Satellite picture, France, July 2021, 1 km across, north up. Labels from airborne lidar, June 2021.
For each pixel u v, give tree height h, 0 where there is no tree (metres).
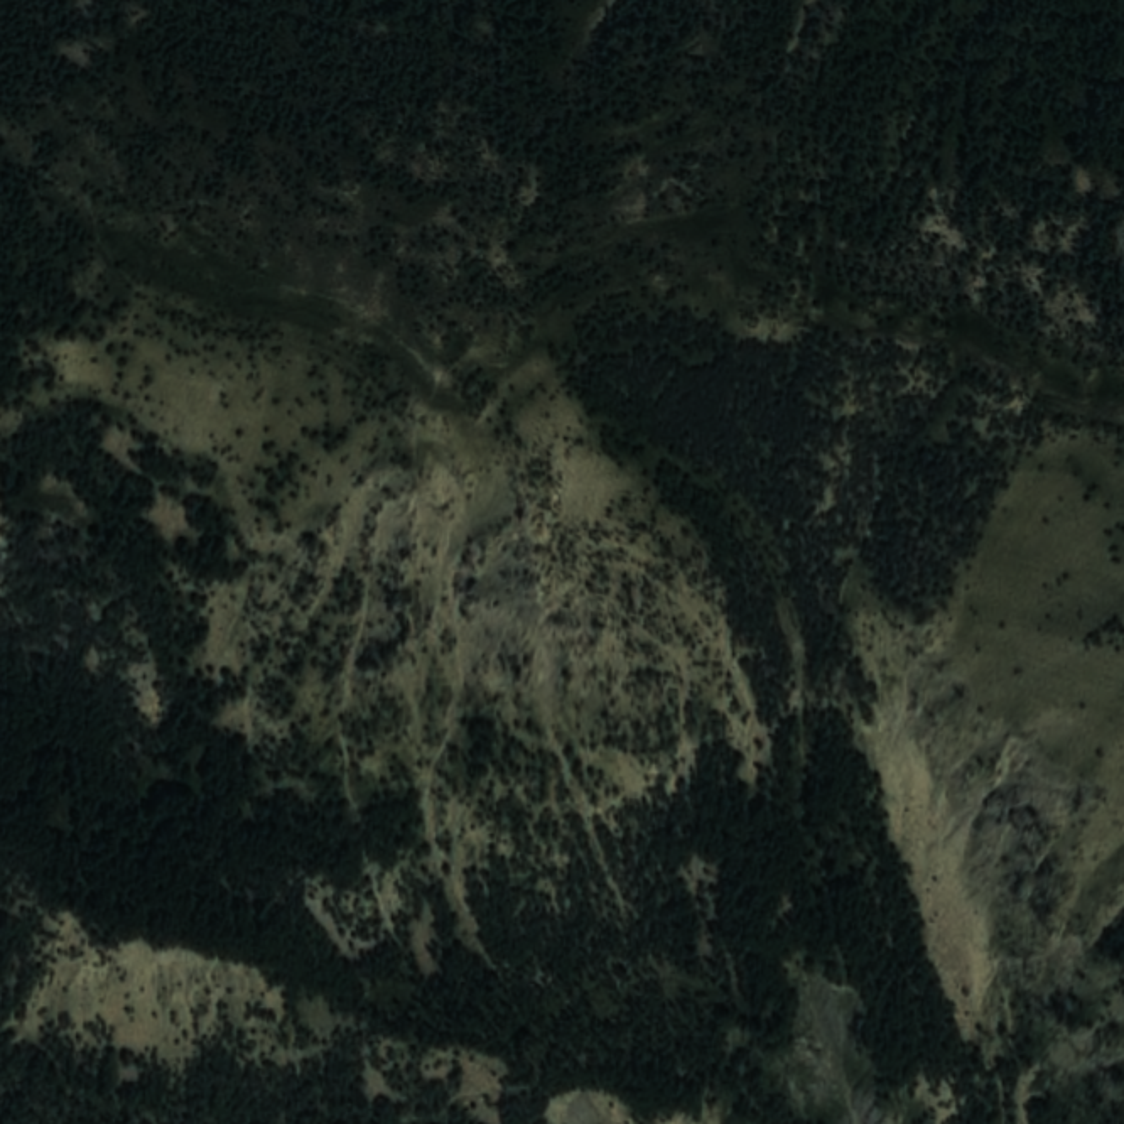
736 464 11
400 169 7
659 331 10
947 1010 12
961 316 0
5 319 8
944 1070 12
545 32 11
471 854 0
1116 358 5
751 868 25
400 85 10
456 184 7
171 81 7
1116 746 0
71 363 0
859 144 16
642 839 14
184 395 0
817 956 11
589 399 14
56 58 7
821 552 11
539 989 17
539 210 8
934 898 0
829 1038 0
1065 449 0
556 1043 14
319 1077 13
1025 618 0
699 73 8
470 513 0
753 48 6
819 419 9
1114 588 0
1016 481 0
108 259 0
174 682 9
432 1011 27
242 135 9
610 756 0
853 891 23
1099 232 14
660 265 6
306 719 7
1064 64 17
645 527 8
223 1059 12
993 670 0
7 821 26
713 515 18
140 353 0
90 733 25
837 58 10
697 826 24
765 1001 25
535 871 9
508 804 7
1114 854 0
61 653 14
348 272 0
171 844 25
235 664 0
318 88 10
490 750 18
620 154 8
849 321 0
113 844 27
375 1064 9
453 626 0
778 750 15
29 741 21
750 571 15
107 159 0
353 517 0
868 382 6
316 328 0
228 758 22
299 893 13
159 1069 10
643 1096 22
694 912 11
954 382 7
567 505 0
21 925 13
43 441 18
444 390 0
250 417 0
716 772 18
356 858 16
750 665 14
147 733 9
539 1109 14
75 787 23
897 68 13
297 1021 10
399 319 0
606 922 8
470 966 27
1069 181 7
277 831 27
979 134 13
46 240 9
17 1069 21
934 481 7
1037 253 8
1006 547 0
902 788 0
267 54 8
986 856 0
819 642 17
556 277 9
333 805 16
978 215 11
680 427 12
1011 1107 12
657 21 13
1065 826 0
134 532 16
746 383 9
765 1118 12
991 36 18
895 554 10
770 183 8
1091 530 0
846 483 7
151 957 0
